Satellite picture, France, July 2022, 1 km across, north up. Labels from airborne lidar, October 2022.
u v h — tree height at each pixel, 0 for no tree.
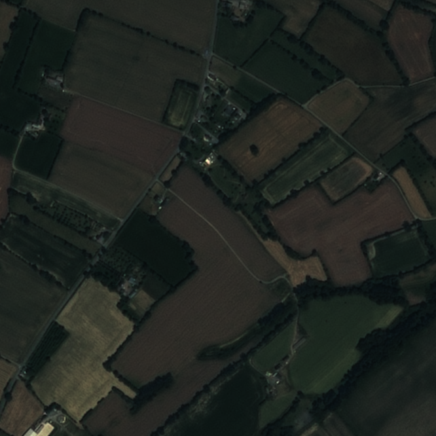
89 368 0
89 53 0
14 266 0
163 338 0
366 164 0
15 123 0
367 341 11
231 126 9
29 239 0
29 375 11
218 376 7
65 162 0
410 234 0
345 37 0
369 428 0
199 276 0
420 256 0
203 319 0
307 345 0
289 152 0
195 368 0
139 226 0
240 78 0
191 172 0
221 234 0
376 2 0
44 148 0
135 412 8
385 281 17
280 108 0
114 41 0
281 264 0
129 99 0
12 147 0
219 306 0
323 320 0
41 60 0
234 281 0
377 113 0
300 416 0
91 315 0
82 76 0
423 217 0
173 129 0
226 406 0
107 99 0
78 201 0
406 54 0
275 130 0
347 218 0
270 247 0
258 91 0
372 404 0
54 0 0
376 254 0
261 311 0
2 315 0
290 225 0
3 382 0
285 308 27
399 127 0
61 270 0
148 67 0
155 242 0
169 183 12
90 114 0
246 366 0
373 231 0
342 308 0
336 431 0
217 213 0
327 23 0
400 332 29
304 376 0
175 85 7
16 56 0
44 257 0
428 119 7
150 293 0
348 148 0
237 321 0
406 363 0
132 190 0
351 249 0
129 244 0
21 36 0
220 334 0
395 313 0
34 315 0
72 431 0
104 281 13
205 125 10
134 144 0
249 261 0
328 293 9
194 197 0
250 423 0
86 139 0
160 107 0
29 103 0
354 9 0
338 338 0
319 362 0
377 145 0
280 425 11
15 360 0
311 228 0
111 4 0
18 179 0
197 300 0
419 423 0
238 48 0
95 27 0
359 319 0
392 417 0
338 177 0
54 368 0
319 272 0
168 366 0
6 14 0
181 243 7
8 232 0
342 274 0
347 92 0
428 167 0
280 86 0
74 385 0
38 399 6
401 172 0
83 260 0
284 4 0
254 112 18
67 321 0
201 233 0
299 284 0
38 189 0
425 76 0
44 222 0
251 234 0
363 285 9
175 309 0
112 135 0
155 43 0
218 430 0
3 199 0
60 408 10
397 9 0
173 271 0
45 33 0
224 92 16
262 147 0
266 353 0
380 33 11
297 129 0
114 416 0
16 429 0
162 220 0
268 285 0
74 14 0
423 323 16
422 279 0
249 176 0
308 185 19
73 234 0
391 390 0
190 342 0
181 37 0
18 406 0
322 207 0
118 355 8
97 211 0
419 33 0
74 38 0
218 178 0
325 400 20
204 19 0
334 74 0
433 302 11
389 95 0
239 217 0
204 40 0
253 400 0
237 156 0
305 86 0
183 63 0
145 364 0
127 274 6
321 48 0
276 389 0
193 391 0
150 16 0
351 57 0
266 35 0
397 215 0
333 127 0
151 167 0
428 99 0
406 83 13
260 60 0
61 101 0
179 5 0
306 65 12
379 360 10
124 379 10
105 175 0
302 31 0
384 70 0
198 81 0
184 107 0
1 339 0
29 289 0
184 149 17
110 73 0
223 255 0
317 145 0
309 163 0
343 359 0
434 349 0
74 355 0
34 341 0
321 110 0
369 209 0
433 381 0
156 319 0
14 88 8
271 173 17
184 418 0
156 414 0
